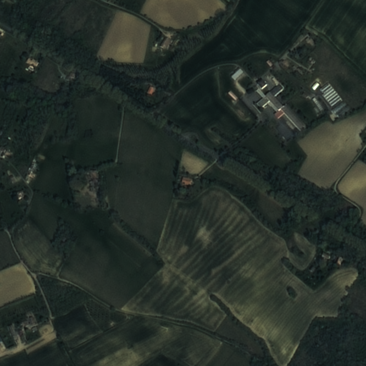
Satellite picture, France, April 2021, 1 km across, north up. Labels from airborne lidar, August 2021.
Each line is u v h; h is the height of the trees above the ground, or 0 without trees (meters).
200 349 0
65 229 14
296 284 0
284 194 26
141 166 0
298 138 21
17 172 0
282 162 0
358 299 0
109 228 0
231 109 0
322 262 24
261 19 0
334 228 32
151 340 0
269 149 0
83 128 0
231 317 13
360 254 20
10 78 7
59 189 0
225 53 0
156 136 0
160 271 0
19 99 23
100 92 21
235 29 0
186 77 0
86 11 0
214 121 0
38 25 16
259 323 0
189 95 0
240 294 0
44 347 0
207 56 0
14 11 14
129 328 0
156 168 0
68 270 0
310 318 0
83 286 0
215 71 0
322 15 0
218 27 26
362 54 0
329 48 0
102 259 0
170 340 0
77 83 19
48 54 18
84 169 8
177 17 0
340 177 0
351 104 0
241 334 0
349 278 0
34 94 23
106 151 0
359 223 13
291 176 19
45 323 11
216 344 0
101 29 0
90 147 0
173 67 33
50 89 0
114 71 16
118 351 0
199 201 0
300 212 38
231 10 16
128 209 0
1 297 0
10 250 0
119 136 0
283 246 0
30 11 14
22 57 6
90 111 0
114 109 0
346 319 8
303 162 0
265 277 0
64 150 0
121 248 0
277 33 0
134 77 29
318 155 0
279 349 0
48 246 0
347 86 0
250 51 0
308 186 22
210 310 0
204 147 0
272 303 0
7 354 0
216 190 0
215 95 0
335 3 0
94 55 7
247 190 0
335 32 0
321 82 0
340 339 9
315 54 0
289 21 0
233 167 35
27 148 19
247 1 0
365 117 0
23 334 6
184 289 0
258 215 9
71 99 32
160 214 0
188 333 0
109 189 0
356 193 0
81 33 11
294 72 7
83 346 0
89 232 0
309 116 0
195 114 0
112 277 0
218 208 0
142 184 0
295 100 0
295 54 8
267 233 0
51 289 11
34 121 16
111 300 0
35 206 0
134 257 0
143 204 0
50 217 0
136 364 0
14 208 0
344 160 0
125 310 0
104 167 11
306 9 0
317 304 0
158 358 0
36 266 0
